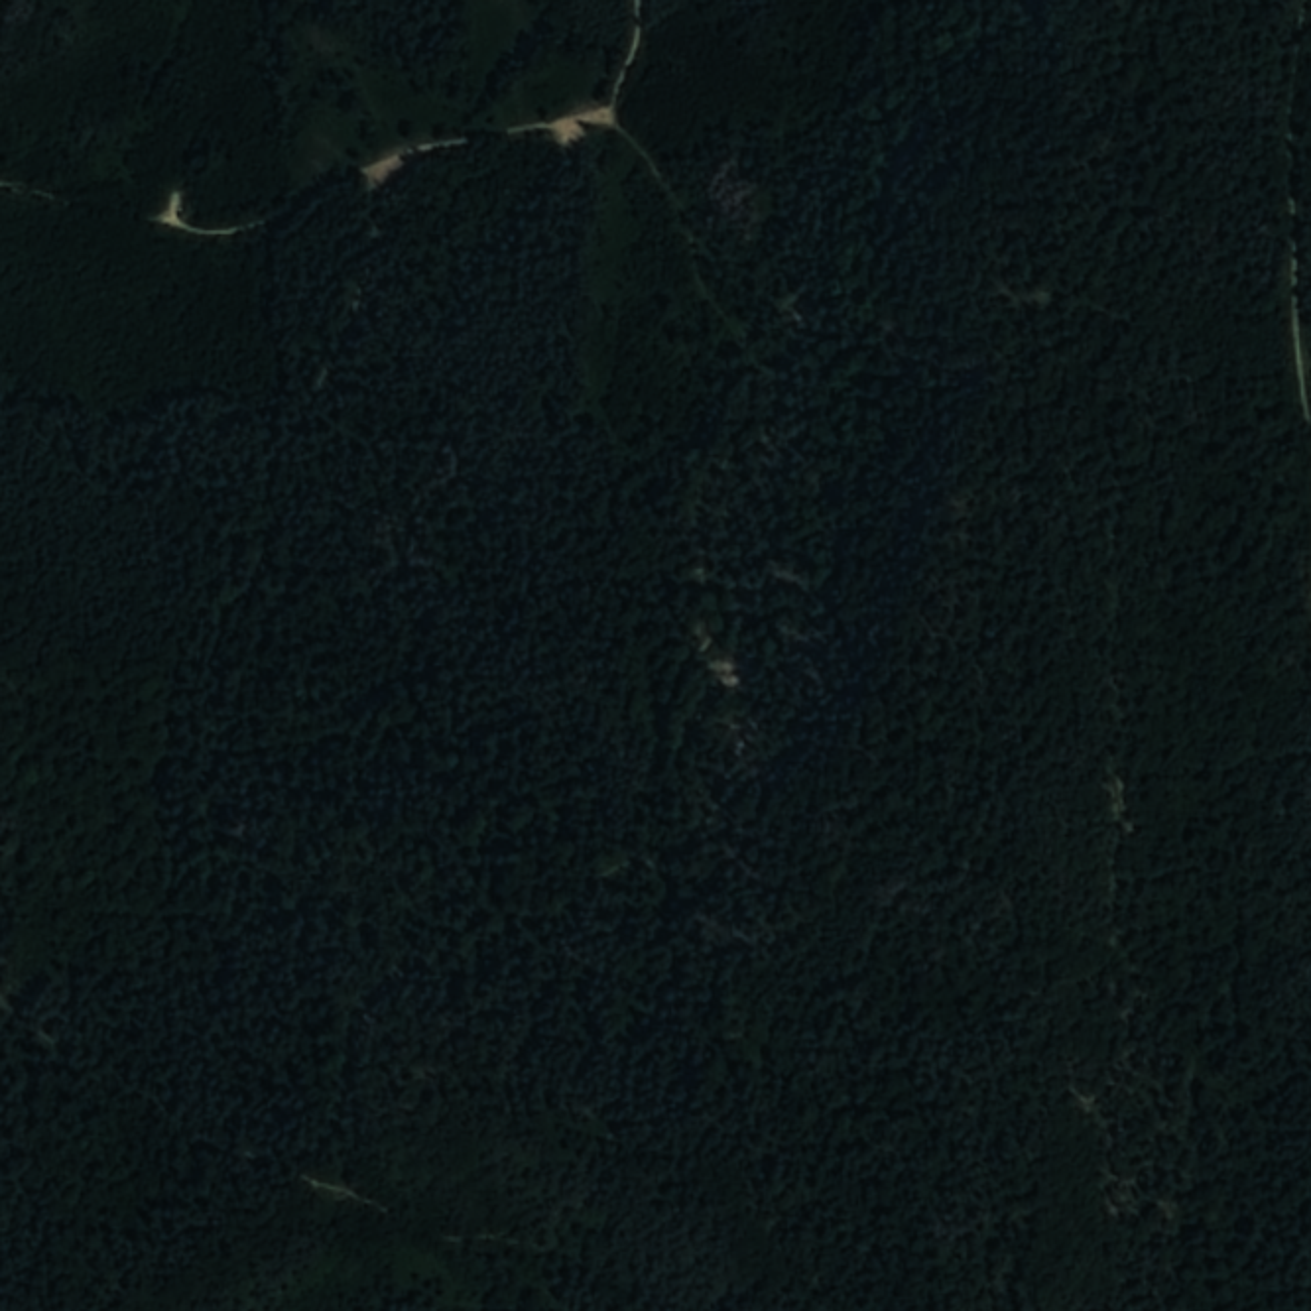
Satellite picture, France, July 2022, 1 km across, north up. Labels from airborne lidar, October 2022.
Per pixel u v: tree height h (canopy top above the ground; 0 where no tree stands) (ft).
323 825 104
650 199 47
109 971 49
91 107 29
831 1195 41
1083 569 80
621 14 27
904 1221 32
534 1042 22
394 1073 69
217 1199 24
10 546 72
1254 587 80
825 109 28
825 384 68
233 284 30
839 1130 61
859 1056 63
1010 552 19
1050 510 69
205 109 29
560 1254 35
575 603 81
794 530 82
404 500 39
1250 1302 47
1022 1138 33
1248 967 64
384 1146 53
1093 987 94
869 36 110
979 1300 58
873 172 78
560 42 75
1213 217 79
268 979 66
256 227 19
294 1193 70
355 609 96
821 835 66
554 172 23
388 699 92
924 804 69
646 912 53
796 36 20
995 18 85
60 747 45
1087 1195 79
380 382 88
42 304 26
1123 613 31
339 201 86
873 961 64
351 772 73
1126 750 36
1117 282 31
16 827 66
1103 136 79
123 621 73
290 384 92
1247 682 64
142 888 87
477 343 92
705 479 65
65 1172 33
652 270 30
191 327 39
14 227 35
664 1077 122
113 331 37
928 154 80
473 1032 82
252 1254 27
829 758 64
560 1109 90
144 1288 66
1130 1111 93
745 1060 52
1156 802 86
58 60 25
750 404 77
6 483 66
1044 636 82
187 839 72
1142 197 76
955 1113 81
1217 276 88
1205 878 56
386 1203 19
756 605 85
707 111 31
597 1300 102
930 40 79
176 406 88
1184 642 62
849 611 99
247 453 118
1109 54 43
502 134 20
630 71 33
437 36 107
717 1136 81
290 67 82
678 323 25
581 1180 56
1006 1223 44
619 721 81
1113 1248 84
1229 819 56
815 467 62
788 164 24
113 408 28
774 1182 85
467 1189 53
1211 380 69
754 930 89
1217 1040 79
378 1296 26
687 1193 33
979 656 63
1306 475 33
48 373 40
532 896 87
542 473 93
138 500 76
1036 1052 48
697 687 103
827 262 50
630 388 31
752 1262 43
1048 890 69
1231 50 53
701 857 82
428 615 29
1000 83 107
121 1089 62
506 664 106
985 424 51
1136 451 78
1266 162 79
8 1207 38
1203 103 64
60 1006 90
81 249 26
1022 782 37
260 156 29
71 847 62
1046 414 88
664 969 102
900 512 74
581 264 103
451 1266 19
